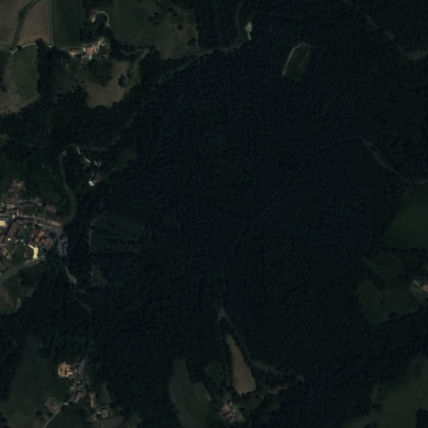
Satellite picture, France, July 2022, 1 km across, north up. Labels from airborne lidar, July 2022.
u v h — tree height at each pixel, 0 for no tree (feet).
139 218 49
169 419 51
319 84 87
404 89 84
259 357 35
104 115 40
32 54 0
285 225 100
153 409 27
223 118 23
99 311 77
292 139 81
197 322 84
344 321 44
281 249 72
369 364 73
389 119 77
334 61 73
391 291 0
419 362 0
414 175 103
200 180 69
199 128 33
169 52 0
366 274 62
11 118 47
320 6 56
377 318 0
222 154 53
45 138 54
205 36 63
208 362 50
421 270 35
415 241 0
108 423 0
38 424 0
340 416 67
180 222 93
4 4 0
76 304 78
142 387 56
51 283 73
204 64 59
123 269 119
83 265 52
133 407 26
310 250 90
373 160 22
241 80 107
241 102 105
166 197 68
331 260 68
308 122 71
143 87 32
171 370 62
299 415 49
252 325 67
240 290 84
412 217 0
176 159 96
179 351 61
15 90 0
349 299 19
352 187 70
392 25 77
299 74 0
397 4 90
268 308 61
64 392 0
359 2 77
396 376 50
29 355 0
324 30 59
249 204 58
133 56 53
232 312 66
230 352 35
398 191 73
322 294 43
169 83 41
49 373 0
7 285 0
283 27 75
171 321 89
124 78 65
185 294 106
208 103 91
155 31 0
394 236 0
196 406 0
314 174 84
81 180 37
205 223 103
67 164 47
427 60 66
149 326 92
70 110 83
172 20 0
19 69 0
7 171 0
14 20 0
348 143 73
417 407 0
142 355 90
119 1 0
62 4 0
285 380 43
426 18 48
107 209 97
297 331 76
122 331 54
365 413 76
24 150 62
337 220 87
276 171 132
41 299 69
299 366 58
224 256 109
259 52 115
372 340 61
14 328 65
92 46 0
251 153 88
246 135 50
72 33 0
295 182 83
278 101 93
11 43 0
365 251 26
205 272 117
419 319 48
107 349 71
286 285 25
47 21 0
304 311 28
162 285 86
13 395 0
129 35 0
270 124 73
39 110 64
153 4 0
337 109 87
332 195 77
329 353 69
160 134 82
